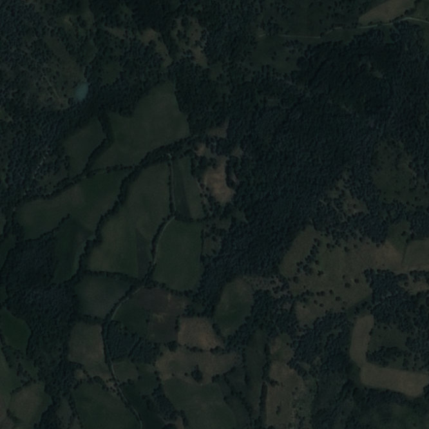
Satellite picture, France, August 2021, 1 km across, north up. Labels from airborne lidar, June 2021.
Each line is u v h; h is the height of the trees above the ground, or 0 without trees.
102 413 0
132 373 0
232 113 17
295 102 11
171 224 0
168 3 7
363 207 0
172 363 0
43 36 16
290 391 0
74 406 10
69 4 16
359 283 8
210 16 8
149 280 12
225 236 14
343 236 16
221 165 0
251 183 18
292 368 6
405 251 0
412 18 0
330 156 18
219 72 0
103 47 8
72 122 14
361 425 11
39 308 15
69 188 11
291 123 19
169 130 0
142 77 8
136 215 0
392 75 17
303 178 10
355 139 16
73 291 15
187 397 0
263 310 16
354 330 0
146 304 0
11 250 9
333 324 9
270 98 9
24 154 19
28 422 0
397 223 12
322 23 10
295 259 0
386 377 0
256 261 19
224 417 0
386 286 15
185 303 0
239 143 17
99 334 0
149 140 0
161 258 0
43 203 0
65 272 0
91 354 0
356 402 7
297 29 0
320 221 10
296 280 12
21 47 10
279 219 28
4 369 0
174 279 0
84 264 16
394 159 0
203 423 0
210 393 0
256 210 21
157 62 15
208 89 12
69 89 0
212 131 0
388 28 0
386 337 0
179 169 0
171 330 0
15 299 16
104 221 17
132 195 0
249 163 17
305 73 14
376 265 0
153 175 0
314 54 16
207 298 10
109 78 0
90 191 0
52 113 11
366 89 24
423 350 8
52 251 24
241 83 13
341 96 18
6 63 10
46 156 12
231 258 16
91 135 0
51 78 7
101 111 18
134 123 0
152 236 0
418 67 26
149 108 0
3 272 13
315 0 8
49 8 14
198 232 0
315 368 12
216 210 10
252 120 11
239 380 0
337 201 14
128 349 15
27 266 19
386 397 13
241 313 0
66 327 18
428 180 16
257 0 10
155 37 0
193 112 11
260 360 0
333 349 10
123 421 0
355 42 11
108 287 0
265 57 0
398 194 7
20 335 0
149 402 10
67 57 0
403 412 0
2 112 0
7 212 16
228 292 0
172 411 13
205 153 0
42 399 0
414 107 9
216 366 0
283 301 13
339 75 19
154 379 0
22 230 20
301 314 0
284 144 15
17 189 13
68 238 0
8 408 0
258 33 0
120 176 0
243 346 7
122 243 0
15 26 17
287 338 0
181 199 0
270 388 0
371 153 18
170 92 0
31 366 0
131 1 23
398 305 19
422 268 0
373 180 15
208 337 0
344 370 16
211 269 21
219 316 0
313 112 24
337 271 0
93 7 17
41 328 12
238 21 14
